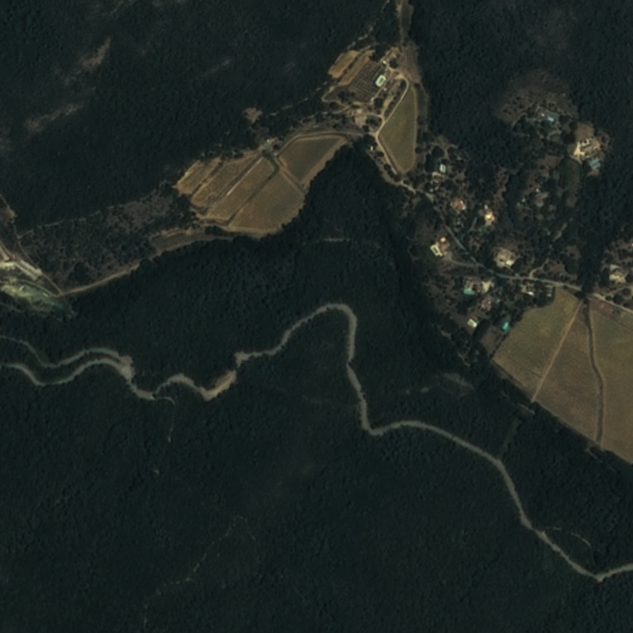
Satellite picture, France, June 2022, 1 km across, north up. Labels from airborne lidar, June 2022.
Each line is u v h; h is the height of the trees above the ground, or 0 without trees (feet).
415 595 47
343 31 23
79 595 30
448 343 48
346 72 0
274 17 35
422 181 28
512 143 53
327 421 23
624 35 31
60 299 0
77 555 32
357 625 30
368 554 28
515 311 25
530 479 30
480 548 32
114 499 44
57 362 27
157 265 33
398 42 36
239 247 49
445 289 20
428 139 37
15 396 38
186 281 27
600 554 44
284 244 52
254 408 44
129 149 37
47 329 50
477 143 21
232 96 30
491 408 20
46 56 26
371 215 43
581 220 50
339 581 27
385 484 29
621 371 0
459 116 33
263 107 38
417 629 27
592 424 0
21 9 40
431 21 34
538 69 29
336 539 37
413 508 35
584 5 21
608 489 33
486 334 37
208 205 0
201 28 40
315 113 36
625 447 0
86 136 22
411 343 34
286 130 56
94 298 22
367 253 50
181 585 23
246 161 0
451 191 52
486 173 21
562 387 0
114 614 30
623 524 57
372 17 38
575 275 40
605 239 28
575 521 31
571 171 0
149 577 21
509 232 18
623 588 53
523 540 25
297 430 21
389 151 0
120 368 0
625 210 36
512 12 25
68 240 27
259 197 0
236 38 28
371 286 25
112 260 53
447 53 55
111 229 27
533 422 42
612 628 34
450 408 26
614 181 34
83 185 21
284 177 0
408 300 54
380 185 39
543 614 41
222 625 26
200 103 25
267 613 24
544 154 28
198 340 45
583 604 22
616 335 0
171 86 31
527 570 31
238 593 27
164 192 23
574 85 19
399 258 62
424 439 37
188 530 31
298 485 23
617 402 0
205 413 50
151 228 33
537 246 44
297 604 23
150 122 37
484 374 42
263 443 25
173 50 34
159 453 34
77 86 33
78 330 35
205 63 26
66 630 33
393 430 34
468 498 26
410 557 40
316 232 33
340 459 40
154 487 43
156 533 46
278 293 19
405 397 20
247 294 47
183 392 18
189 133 20
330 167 33
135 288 44
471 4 19
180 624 32
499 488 27
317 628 40
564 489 44
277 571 37
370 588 37
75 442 42
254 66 25
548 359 0
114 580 34
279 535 48
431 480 30
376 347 31
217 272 49
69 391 28
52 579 32
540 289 28
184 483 27
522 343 0
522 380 0
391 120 0
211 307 37
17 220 23
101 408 27
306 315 23
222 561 20
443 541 38
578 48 21
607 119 28
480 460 27
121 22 36
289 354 35
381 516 23
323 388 22
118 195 28
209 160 44
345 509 31
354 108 32
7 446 30
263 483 22
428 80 37
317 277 19
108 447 44
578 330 0
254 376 17
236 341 19
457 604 46
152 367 23
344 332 33
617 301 36
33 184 32
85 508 41
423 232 0
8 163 22
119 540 39
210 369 39
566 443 52
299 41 20
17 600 27
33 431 43
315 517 22
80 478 40
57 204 26
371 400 30
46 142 19
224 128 21
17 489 31
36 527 54
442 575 43
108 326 23
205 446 42
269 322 21
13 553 31
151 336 26
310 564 33
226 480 31
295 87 44
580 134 0
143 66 26
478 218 28
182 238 0
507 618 31
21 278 0
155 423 26
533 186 25
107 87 35
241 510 23
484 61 52
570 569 42
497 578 33
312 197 41
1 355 46
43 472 30
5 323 38
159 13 24
